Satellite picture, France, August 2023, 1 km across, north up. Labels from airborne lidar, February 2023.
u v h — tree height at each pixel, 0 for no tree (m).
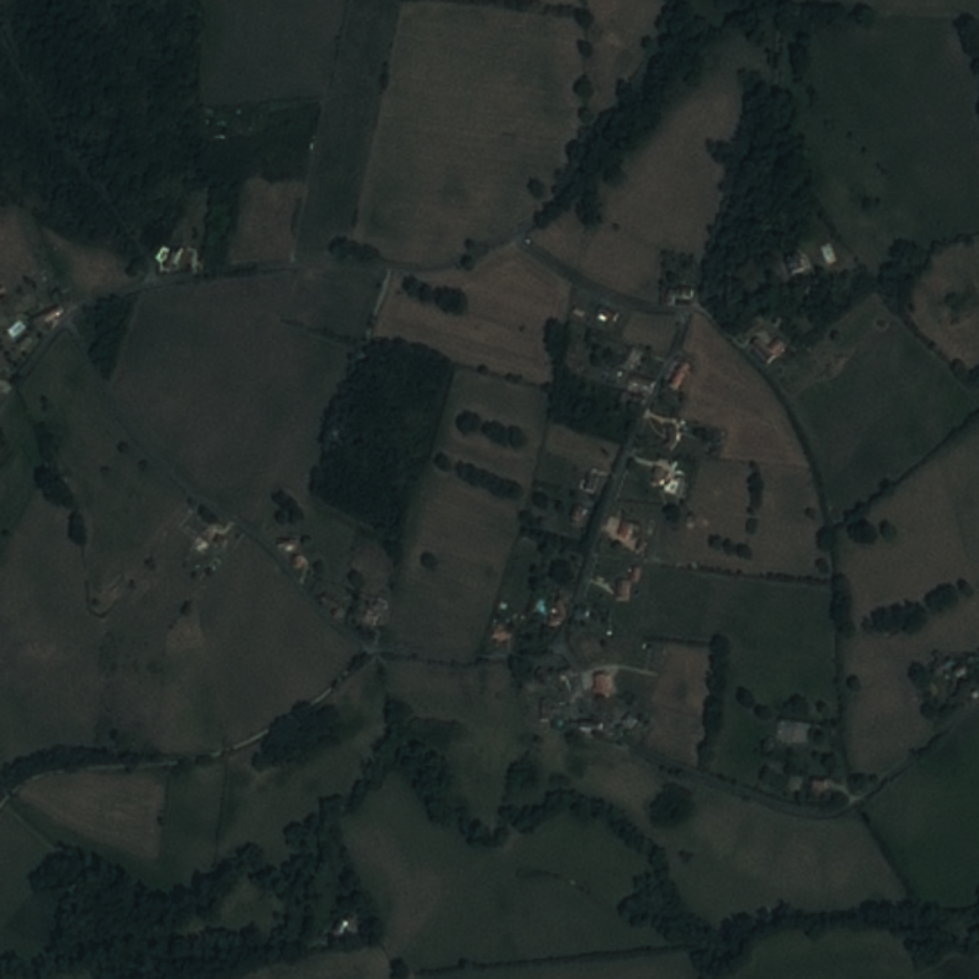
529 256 0
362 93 0
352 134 0
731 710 0
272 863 0
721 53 0
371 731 0
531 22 0
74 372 0
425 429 15
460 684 0
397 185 0
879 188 0
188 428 0
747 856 0
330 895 0
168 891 0
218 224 10
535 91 0
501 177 0
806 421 0
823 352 0
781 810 0
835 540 13
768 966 0
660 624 0
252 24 0
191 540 0
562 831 0
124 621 0
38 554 0
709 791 0
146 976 20
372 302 0
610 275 0
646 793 0
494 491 15
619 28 0
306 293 0
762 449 0
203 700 0
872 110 0
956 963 0
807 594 0
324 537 0
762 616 0
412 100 0
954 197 0
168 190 15
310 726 20
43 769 23
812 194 16
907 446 0
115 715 0
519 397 0
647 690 0
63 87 22
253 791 0
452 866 0
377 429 18
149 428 0
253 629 0
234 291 0
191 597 0
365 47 0
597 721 6
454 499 0
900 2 0
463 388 0
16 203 12
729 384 0
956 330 0
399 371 20
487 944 0
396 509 16
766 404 0
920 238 0
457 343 0
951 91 0
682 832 0
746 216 9
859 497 0
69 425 0
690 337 0
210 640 0
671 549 0
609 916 0
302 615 0
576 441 0
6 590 0
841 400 0
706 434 10
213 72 0
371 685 0
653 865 10
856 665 0
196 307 0
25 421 0
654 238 0
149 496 0
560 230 0
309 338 0
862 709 0
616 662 0
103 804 0
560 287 0
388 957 0
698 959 16
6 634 0
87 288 0
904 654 0
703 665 0
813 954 0
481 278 0
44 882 18
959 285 0
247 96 0
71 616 0
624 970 0
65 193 16
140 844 0
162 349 0
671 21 16
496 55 0
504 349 0
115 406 0
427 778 17
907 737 0
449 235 0
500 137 0
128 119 20
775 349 0
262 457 0
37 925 0
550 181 0
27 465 0
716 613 0
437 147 0
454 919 0
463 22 0
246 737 0
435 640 0
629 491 0
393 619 0
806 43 17
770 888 0
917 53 0
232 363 0
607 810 18
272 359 0
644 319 0
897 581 0
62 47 22
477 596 0
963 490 0
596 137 13
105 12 18
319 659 0
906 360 0
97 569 0
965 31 21
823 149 0
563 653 0
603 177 28
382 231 0
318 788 0
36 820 0
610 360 10
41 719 0
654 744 0
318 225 0
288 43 0
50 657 0
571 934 0
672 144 0
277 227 0
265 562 0
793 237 13
